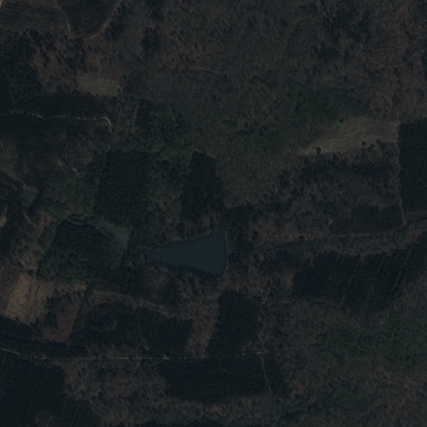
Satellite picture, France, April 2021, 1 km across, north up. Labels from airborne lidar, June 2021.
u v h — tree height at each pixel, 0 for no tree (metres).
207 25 13
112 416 19
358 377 20
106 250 16
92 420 9
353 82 7
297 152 14
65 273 25
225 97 14
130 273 18
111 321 15
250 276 24
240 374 16
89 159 21
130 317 10
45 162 7
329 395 11
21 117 11
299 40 7
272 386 9
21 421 17
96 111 9
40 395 17
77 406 7
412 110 16
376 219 8
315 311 14
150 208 21
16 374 14
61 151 9
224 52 7
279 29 11
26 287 0
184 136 24
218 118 21
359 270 11
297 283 12
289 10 18
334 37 19
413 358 10
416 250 8
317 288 11
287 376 6
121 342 9
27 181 9
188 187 17
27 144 8
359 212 9
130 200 16
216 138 19
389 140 0
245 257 26
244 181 11
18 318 0
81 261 19
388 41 6
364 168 13
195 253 0
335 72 10
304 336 9
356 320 15
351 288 11
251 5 14
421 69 6
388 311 16
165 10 11
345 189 7
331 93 18
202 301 8
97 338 11
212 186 12
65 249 15
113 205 17
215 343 16
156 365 10
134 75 16
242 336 17
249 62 14
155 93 17
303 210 10
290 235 12
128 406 15
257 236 18
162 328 11
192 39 18
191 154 15
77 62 11
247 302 14
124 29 15
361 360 22
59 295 18
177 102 18
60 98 12
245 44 14
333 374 17
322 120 18
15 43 17
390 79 11
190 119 18
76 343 11
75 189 20
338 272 10
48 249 17
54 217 17
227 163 15
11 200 14
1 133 8
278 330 7
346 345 6
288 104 17
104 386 12
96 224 14
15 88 10
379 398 17
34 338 9
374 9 9
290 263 19
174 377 16
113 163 16
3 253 15
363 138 0
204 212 15
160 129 18
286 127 20
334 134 0
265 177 8
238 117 16
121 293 7
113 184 17
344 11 17
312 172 16
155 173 16
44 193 19
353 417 10
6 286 11
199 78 14
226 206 7
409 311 20
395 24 12
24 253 20
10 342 14
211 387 15
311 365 12
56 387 15
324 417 13
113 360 7
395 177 12
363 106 17
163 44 12
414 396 13
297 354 9
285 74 11
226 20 11
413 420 14
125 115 13
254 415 17
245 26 11
